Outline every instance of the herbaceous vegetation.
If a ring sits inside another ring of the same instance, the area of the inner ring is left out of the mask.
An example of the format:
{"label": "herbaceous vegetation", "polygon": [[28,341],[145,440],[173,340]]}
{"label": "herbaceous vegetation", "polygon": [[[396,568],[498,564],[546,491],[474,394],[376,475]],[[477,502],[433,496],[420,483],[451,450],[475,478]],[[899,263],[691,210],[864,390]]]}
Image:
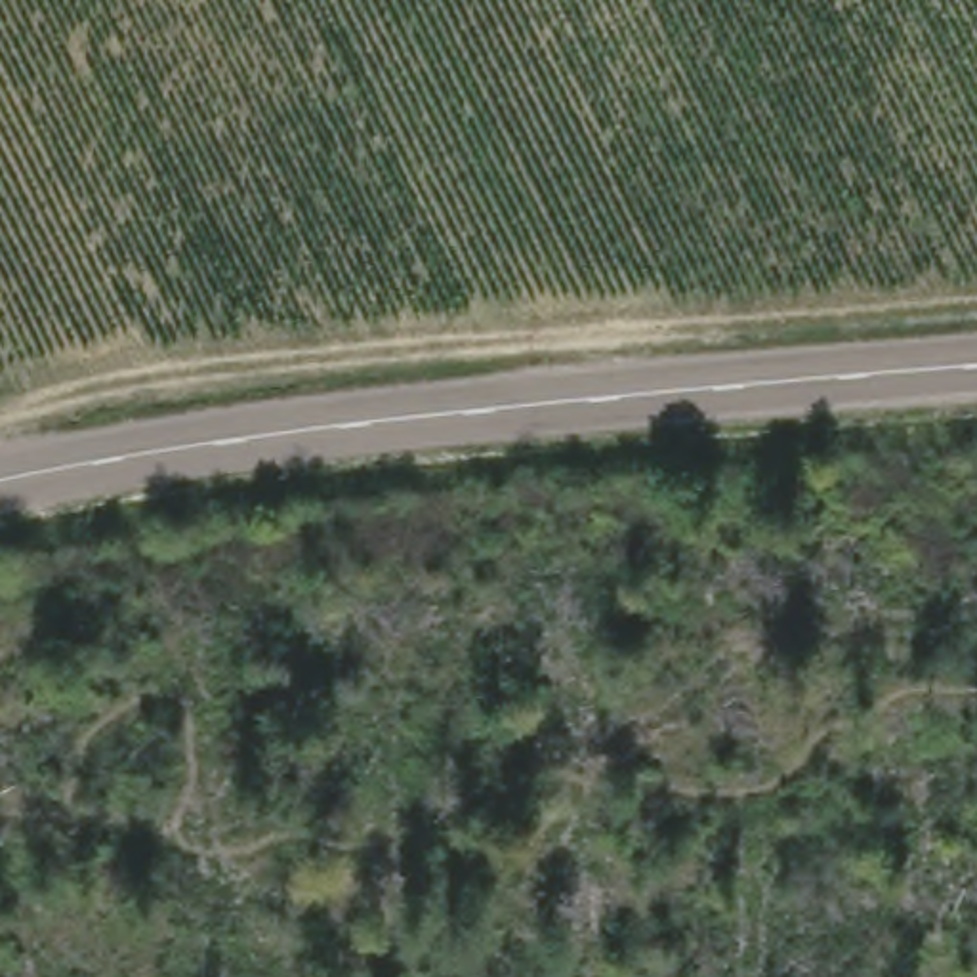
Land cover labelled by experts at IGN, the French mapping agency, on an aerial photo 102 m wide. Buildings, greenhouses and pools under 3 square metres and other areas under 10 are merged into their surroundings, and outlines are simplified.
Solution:
{"label": "herbaceous vegetation", "polygon": [[206,519],[271,523],[286,504],[298,500],[374,504],[389,500],[393,492],[466,496],[504,489],[519,469],[550,477],[550,485],[557,489],[588,489],[592,481],[618,473],[653,473],[653,454],[660,450],[706,454],[717,439],[756,439],[763,424],[714,424],[695,405],[676,401],[660,416],[653,416],[649,431],[614,435],[607,443],[469,443],[424,447],[412,458],[378,458],[351,469],[290,458],[279,466],[263,462],[252,477],[149,477],[141,504],[107,500],[95,508],[57,511],[46,519],[34,519],[15,500],[0,496],[0,553],[15,553],[57,553],[69,546],[122,542],[134,534],[145,542],[164,527],[183,530]]}
{"label": "herbaceous vegetation", "polygon": [[130,324],[95,343],[69,343],[23,359],[15,366],[0,366],[0,439],[34,439],[248,401],[477,378],[527,366],[977,332],[977,290],[969,294],[943,286],[935,271],[924,271],[916,282],[901,290],[878,290],[855,279],[836,279],[828,290],[801,286],[798,294],[767,294],[752,309],[729,309],[729,301],[717,298],[710,313],[592,321],[561,328],[450,328],[260,351],[237,351],[229,343],[214,355],[179,359],[172,359],[164,343],[149,340],[137,324]]}

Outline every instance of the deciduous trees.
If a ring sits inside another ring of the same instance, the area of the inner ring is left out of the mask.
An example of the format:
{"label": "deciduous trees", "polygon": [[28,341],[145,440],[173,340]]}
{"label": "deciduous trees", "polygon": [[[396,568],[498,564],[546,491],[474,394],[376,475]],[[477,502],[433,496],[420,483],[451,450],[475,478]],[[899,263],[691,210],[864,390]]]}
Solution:
{"label": "deciduous trees", "polygon": [[870,809],[851,794],[855,775],[828,752],[813,748],[813,756],[798,771],[790,771],[779,782],[779,790],[737,798],[733,809],[710,813],[679,843],[679,859],[698,866],[695,882],[664,885],[656,901],[672,904],[676,924],[691,920],[687,943],[676,943],[672,950],[626,950],[611,958],[599,935],[588,943],[569,927],[569,920],[561,920],[550,931],[538,931],[534,863],[530,870],[515,874],[496,870],[481,924],[462,939],[450,939],[443,931],[435,943],[424,943],[401,966],[408,977],[882,977],[897,950],[897,908],[855,908],[843,885],[824,882],[824,870],[794,874],[786,889],[775,885],[779,840],[813,836],[832,824],[870,821]]}
{"label": "deciduous trees", "polygon": [[134,534],[122,542],[69,546],[57,553],[15,553],[23,561],[19,569],[27,572],[27,592],[34,592],[34,622],[27,641],[19,645],[31,660],[23,683],[31,687],[34,706],[42,714],[69,714],[99,706],[99,698],[118,698],[126,687],[137,687],[141,695],[141,706],[130,717],[114,721],[103,737],[95,737],[80,759],[76,794],[92,801],[92,821],[107,824],[107,794],[118,775],[145,775],[153,790],[183,790],[183,721],[191,717],[198,725],[198,759],[214,767],[233,767],[233,798],[252,801],[256,813],[271,813],[279,821],[309,813],[309,836],[275,843],[267,863],[267,893],[252,893],[240,904],[233,904],[233,885],[202,878],[198,859],[191,851],[179,851],[176,843],[164,847],[164,859],[156,866],[156,904],[137,904],[111,882],[111,847],[95,847],[95,855],[88,863],[76,863],[65,878],[46,878],[34,874],[27,840],[19,836],[4,847],[8,882],[15,885],[19,901],[11,912],[0,916],[0,977],[286,977],[294,969],[294,954],[301,950],[305,912],[301,901],[290,901],[294,870],[355,870],[355,851],[366,847],[374,832],[401,832],[401,809],[412,798],[420,798],[435,813],[450,813],[458,805],[454,790],[431,779],[427,759],[431,721],[439,714],[458,714],[466,721],[481,710],[469,672],[473,634],[481,626],[508,622],[515,630],[538,626],[546,634],[557,618],[557,588],[572,588],[572,599],[580,603],[584,618],[595,626],[603,607],[603,576],[614,572],[614,565],[626,557],[626,530],[645,515],[656,515],[664,530],[683,546],[683,576],[672,584],[660,576],[645,576],[634,592],[618,592],[618,607],[630,614],[698,618],[706,607],[702,588],[729,561],[752,550],[798,561],[809,542],[824,546],[832,538],[859,538],[878,557],[878,565],[889,569],[882,592],[874,595],[885,611],[908,607],[916,618],[920,607],[931,599],[962,599],[962,637],[935,660],[931,679],[973,683],[977,653],[977,405],[958,408],[958,416],[950,416],[946,408],[832,416],[828,405],[813,405],[813,412],[801,420],[763,424],[756,439],[717,439],[706,454],[660,450],[653,454],[653,473],[618,473],[592,481],[588,489],[557,489],[550,485],[550,477],[519,469],[504,489],[466,496],[393,492],[389,500],[374,504],[298,500],[286,504],[271,523],[206,519],[183,530],[164,527],[145,542]]}

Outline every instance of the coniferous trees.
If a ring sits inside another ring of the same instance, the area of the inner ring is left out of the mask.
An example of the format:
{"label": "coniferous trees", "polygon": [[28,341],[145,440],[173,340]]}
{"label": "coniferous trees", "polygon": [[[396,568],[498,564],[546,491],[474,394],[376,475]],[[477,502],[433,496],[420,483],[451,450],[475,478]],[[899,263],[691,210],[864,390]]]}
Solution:
{"label": "coniferous trees", "polygon": [[176,843],[179,851],[191,851],[198,859],[202,878],[233,885],[233,904],[240,904],[252,893],[267,893],[267,863],[275,843],[309,836],[309,813],[279,821],[271,813],[256,813],[252,801],[233,798],[233,767],[214,767],[198,759],[198,725],[191,717],[183,721],[183,790],[153,790],[145,775],[118,775],[107,794],[107,824],[92,821],[92,801],[76,794],[80,759],[95,737],[103,737],[114,721],[130,717],[141,706],[141,695],[137,687],[126,687],[118,698],[99,698],[99,706],[69,714],[42,714],[34,706],[31,687],[23,683],[31,660],[19,645],[27,641],[34,622],[34,592],[27,592],[27,572],[19,569],[23,561],[15,553],[0,553],[0,916],[11,912],[19,901],[15,885],[8,882],[4,847],[19,836],[27,840],[34,874],[46,878],[65,878],[76,863],[88,863],[95,855],[95,847],[111,847],[111,882],[137,904],[156,904],[156,866],[164,859],[164,847]]}
{"label": "coniferous trees", "polygon": [[534,863],[538,931],[550,931],[561,920],[569,920],[569,927],[588,943],[599,935],[611,958],[626,950],[672,950],[676,943],[687,943],[691,920],[676,924],[672,904],[656,901],[664,885],[695,882],[698,866],[679,859],[679,843],[710,813],[733,809],[737,798],[779,790],[779,782],[790,771],[798,771],[813,756],[813,748],[828,752],[855,775],[851,794],[870,809],[870,821],[832,824],[813,836],[779,840],[775,885],[786,889],[794,874],[824,870],[824,882],[843,885],[855,908],[897,908],[897,950],[882,977],[977,977],[977,653],[973,683],[931,679],[935,660],[962,637],[962,599],[931,599],[920,607],[916,618],[908,607],[885,611],[874,595],[882,592],[889,569],[878,565],[878,557],[859,538],[832,538],[824,546],[809,542],[798,561],[752,550],[729,561],[702,588],[706,607],[698,618],[630,614],[618,607],[618,592],[634,592],[645,576],[660,576],[672,584],[683,576],[683,546],[664,530],[656,515],[645,515],[626,530],[626,557],[614,565],[614,572],[603,576],[603,607],[595,626],[584,618],[580,603],[572,599],[572,588],[557,588],[557,618],[546,634],[538,626],[515,630],[508,622],[481,626],[473,634],[469,672],[481,710],[466,721],[458,714],[439,714],[431,721],[427,759],[431,779],[454,790],[458,805],[450,813],[435,813],[420,798],[412,798],[401,809],[401,832],[374,832],[366,847],[355,851],[355,870],[294,870],[290,901],[301,901],[305,912],[301,950],[294,954],[294,969],[286,977],[408,977],[401,966],[424,943],[435,943],[443,931],[450,939],[462,939],[481,924],[496,870],[515,874],[530,870]]}

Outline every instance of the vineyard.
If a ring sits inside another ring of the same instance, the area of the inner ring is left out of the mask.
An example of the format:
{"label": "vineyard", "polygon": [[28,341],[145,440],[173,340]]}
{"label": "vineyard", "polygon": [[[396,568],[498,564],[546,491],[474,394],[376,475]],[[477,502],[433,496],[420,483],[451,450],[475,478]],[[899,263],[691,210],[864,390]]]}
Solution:
{"label": "vineyard", "polygon": [[916,282],[924,271],[935,271],[943,286],[969,294],[977,290],[977,0],[0,0],[0,366],[15,366],[23,359],[69,343],[95,343],[130,324],[137,324],[149,340],[164,343],[172,359],[179,359],[214,355],[229,343],[237,351],[260,351],[450,328],[561,328],[592,321],[710,313],[717,298],[729,301],[729,309],[752,309],[767,294],[798,294],[801,286],[828,290],[836,279],[855,279],[878,290],[901,290]]}

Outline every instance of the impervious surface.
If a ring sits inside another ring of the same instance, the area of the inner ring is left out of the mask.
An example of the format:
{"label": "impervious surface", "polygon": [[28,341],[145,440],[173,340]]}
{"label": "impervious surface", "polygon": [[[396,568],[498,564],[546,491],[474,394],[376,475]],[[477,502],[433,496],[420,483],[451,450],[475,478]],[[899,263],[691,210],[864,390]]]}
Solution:
{"label": "impervious surface", "polygon": [[412,458],[424,447],[469,443],[607,443],[614,435],[649,431],[653,416],[660,416],[676,401],[695,405],[714,424],[763,424],[801,420],[813,412],[813,405],[828,405],[832,416],[946,408],[950,416],[958,416],[958,408],[977,405],[977,332],[527,366],[477,378],[248,401],[34,439],[0,439],[0,496],[15,500],[34,519],[46,519],[57,511],[95,508],[107,500],[141,504],[149,477],[252,477],[263,462],[279,466],[290,458],[351,469],[378,458]]}

